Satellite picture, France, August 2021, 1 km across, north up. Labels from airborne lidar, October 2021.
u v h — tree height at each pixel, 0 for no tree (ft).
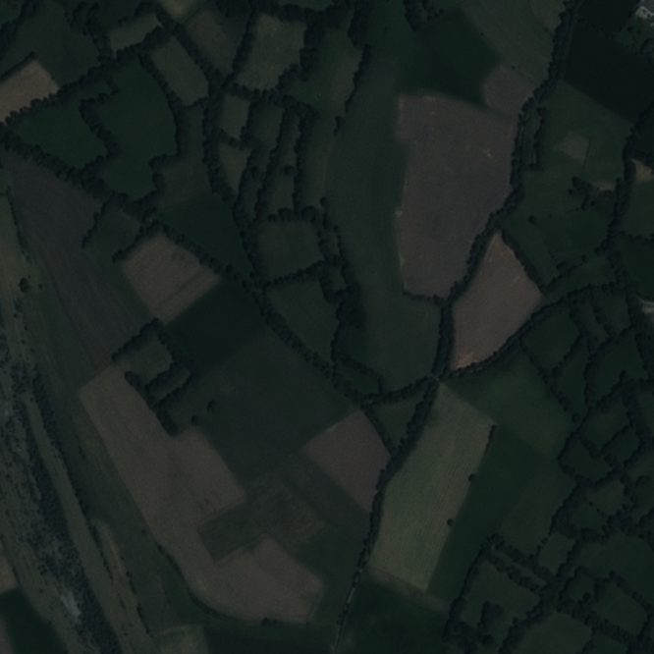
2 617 0
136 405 0
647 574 0
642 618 0
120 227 0
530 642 0
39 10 61
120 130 0
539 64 0
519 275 0
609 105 0
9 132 60
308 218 65
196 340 0
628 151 48
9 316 0
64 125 0
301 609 0
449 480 0
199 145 0
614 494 0
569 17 60
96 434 0
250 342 0
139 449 0
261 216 59
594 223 0
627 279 68
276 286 45
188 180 0
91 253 0
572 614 56
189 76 0
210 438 0
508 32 0
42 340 0
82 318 0
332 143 0
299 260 0
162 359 0
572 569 47
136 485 0
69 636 0
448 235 0
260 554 0
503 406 0
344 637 0
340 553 0
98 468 0
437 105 0
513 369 0
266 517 0
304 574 0
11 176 0
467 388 0
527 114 59
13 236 0
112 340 0
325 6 0
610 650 0
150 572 0
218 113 38
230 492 0
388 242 0
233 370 0
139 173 0
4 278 0
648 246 33
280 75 0
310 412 0
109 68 61
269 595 0
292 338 51
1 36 52
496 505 0
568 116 0
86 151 0
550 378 51
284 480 0
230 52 0
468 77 0
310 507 0
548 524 0
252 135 41
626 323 0
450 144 0
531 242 0
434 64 0
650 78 0
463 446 0
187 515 0
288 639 0
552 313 56
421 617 0
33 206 0
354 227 0
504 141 0
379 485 33
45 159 69
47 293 0
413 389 40
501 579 0
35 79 0
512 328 0
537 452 0
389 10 0
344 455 0
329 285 62
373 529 26
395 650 0
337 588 0
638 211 0
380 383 32
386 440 41
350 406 0
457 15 0
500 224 47
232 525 0
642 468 0
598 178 0
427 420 48
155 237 33
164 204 0
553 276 0
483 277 0
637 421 70
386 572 0
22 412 25
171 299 0
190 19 0
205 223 0
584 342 50
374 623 0
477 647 56
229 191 60
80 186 42
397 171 0
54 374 0
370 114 0
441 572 0
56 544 0
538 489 0
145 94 0
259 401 0
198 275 0
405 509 0
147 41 45
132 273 0
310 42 67
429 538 0
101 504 0
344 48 0
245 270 0
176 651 0
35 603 0
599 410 33
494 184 0
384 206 0
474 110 0
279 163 25
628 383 60
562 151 0
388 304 0
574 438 51
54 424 36
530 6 0
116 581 0
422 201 0
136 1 0
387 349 0
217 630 0
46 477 31
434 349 0
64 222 0
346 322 52
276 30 0
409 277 0
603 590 62
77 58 0
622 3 0
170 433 46
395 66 0
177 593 0
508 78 0
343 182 0
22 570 0
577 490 35
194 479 0
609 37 35
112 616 0
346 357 32
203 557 0
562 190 0
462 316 0
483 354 0
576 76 0
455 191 0
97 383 0
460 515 0
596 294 82
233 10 59
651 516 41
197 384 37
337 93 0
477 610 0
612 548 0
